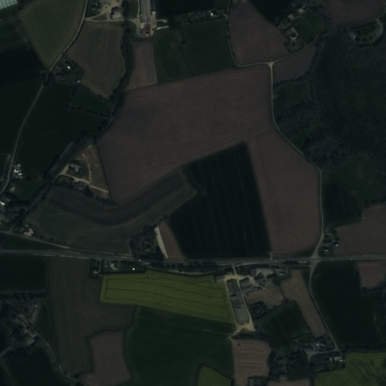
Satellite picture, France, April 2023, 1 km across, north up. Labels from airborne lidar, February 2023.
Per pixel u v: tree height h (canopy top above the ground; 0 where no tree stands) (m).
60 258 0
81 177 0
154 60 0
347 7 0
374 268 0
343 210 0
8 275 0
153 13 0
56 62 0
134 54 0
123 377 0
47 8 0
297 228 0
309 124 30
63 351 0
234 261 0
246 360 0
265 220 0
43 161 0
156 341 0
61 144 0
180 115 0
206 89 0
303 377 0
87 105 0
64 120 0
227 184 0
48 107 0
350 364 0
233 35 0
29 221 0
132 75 0
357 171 0
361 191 0
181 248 0
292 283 0
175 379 0
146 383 0
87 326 0
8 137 0
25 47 0
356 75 0
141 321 0
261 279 0
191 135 0
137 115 0
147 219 0
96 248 0
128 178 0
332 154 26
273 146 0
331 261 0
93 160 0
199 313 0
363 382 0
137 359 0
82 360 0
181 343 0
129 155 0
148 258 9
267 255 0
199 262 0
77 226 0
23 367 0
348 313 0
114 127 0
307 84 0
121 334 0
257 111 0
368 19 0
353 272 0
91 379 0
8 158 0
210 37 0
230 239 0
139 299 0
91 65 0
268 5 0
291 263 10
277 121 21
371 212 0
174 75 0
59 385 0
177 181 0
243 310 0
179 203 0
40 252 0
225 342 0
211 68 0
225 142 0
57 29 0
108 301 0
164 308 0
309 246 0
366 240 0
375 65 13
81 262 0
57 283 0
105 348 0
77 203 0
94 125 0
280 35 0
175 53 0
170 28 0
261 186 0
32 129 0
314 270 0
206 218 0
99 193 0
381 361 0
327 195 0
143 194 0
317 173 0
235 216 0
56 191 0
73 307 0
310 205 0
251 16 0
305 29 0
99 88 0
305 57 0
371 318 0
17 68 0
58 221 0
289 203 0
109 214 0
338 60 0
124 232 0
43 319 0
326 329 11
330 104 0
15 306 0
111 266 0
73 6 0
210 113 0
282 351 0
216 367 0
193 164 0
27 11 0
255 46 0
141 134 0
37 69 0
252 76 0
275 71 0
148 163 0
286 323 0
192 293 0
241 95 0
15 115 0
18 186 0
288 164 0
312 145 18
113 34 0
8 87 0
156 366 0
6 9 0
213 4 0
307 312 0
